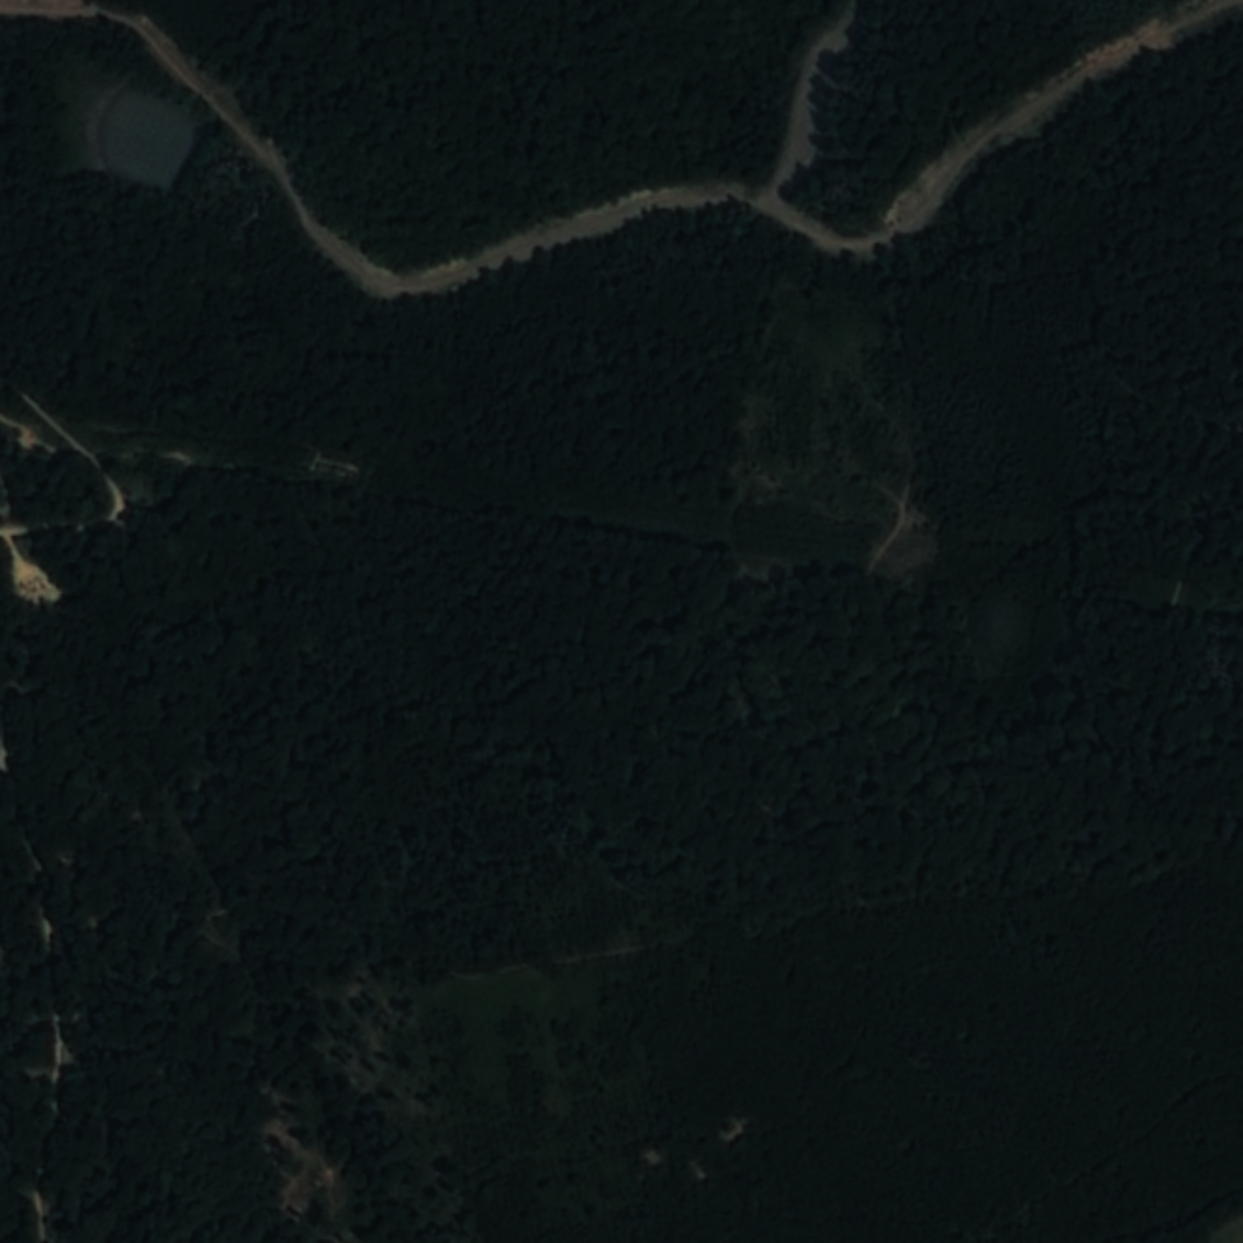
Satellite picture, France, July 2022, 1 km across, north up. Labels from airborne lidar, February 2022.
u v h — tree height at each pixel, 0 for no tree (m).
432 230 21
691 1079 13
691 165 23
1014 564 16
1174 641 23
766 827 25
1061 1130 14
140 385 22
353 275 0
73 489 23
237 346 20
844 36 0
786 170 0
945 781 30
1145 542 27
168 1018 26
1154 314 23
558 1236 6
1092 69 0
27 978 22
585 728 22
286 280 20
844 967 13
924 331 14
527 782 20
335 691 25
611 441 18
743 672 22
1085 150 24
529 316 17
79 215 23
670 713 24
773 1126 11
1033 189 26
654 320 15
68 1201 33
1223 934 15
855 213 20
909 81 26
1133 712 25
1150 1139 11
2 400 18
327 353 15
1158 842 28
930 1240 11
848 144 20
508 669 8
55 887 26
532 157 23
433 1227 0
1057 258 15
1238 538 27
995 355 20
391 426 23
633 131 25
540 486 16
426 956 8
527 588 21
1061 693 33
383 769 8
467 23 23
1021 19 23
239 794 28
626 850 19
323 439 25
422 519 17
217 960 16
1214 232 23
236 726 18
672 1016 10
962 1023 10
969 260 30
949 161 0
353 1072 0
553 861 8
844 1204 11
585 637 28
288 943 23
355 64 27
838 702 22
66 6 0
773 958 11
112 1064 25
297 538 28
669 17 23
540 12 20
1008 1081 13
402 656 23
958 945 12
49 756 26
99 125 0
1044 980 14
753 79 25
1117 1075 15
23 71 19
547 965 8
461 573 18
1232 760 27
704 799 21
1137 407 25
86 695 21
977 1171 13
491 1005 0
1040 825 23
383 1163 23
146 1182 22
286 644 19
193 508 25
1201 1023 13
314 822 27
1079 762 26
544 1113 9
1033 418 20
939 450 13
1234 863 15
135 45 22
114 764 20
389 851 27
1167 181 20
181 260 25
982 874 20
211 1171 24
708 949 8
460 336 21
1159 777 26
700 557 16
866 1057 13
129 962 26
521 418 20
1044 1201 12
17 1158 28
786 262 26
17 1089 29
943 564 11
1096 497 10
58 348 26
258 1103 29
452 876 10
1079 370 23
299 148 23
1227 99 17
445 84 28
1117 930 14
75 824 29
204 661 23
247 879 26
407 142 23
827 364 0
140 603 29
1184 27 0
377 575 20
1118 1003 12
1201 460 26
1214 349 27
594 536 27
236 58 14
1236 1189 9
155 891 30
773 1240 12
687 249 24
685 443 23
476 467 20
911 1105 12
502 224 23
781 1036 10
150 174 0
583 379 20
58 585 18
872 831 28
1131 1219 8
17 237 27
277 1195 27
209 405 24
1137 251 26
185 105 20
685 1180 12
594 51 20
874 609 26
